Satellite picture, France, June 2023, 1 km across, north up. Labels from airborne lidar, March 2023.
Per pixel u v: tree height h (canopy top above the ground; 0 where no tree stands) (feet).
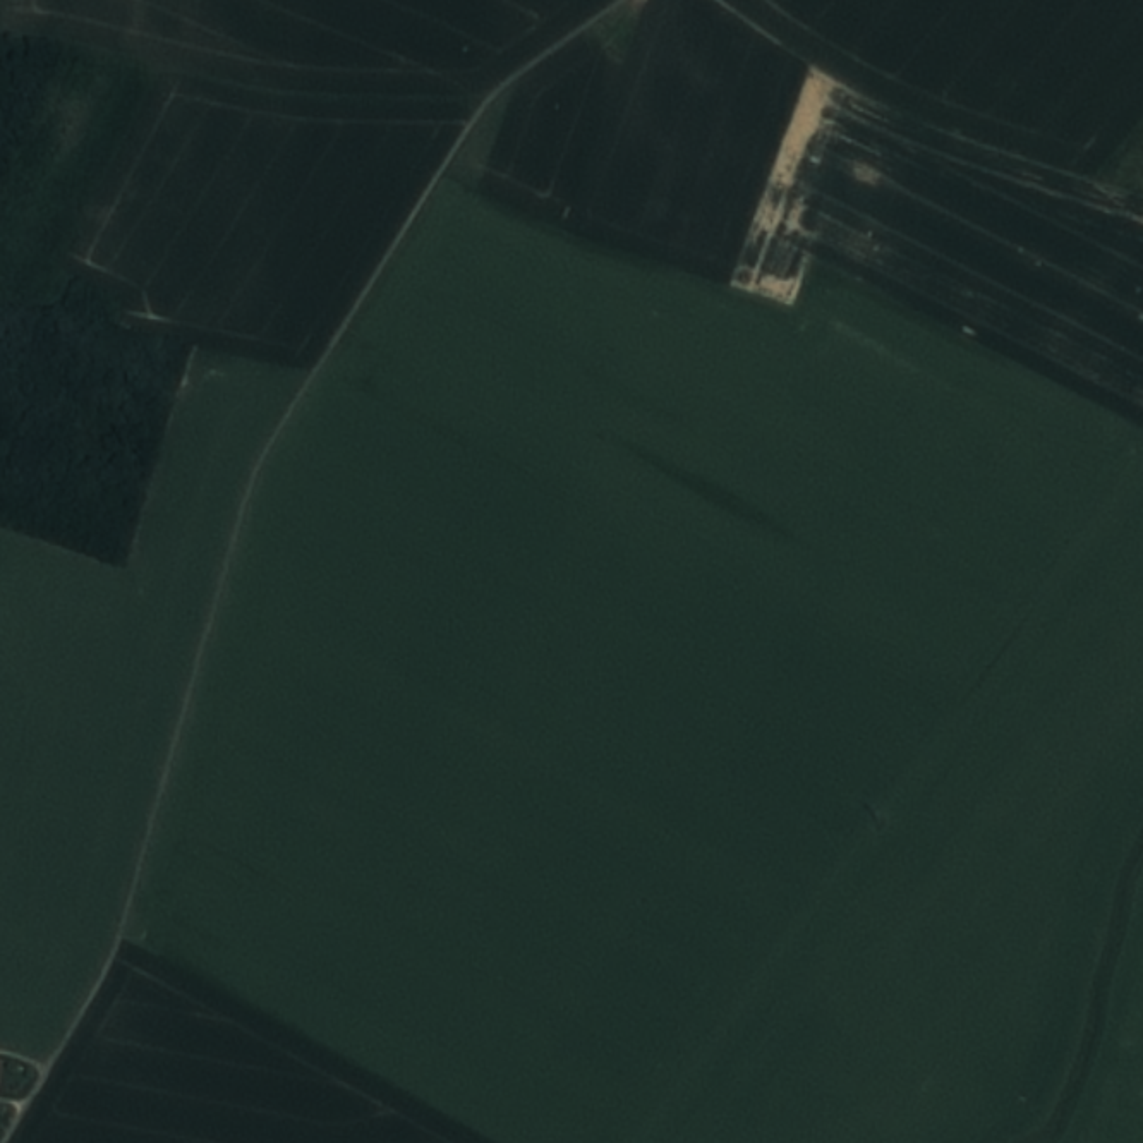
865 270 0
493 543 0
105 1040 0
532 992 0
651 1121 0
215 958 0
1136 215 0
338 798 0
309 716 0
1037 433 0
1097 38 0
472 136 0
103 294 29
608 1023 0
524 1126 0
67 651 0
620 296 0
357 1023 0
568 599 0
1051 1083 0
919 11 0
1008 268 0
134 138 0
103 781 0
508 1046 0
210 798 0
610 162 0
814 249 0
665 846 0
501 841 0
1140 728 0
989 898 0
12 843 0
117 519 51
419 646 0
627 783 0
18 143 32
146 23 0
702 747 0
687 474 0
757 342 0
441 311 0
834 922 0
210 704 0
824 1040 0
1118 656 0
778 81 0
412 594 0
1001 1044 0
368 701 0
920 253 0
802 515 0
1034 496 0
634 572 0
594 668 0
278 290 0
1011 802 0
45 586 0
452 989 0
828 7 0
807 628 0
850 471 0
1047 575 0
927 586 0
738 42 0
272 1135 0
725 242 0
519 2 0
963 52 0
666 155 0
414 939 0
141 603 0
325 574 0
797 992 0
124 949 0
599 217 0
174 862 0
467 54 0
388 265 0
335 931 0
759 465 0
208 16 0
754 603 0
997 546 0
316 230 0
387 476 0
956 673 0
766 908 0
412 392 0
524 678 0
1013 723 0
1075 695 0
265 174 0
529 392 0
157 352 56
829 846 0
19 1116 0
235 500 0
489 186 0
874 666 0
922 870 0
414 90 0
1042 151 0
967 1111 0
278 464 0
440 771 0
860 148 0
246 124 0
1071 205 0
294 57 0
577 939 0
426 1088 0
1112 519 0
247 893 0
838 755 0
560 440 0
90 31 0
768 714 0
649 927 0
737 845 0
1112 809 0
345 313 0
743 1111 0
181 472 0
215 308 0
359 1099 0
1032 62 0
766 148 0
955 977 0
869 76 0
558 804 0
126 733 0
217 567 0
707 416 0
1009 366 0
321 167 0
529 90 0
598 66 0
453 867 0
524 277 0
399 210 0
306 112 0
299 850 0
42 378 60
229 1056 0
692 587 0
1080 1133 0
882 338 0
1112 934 0
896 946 0
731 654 0
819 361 0
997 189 0
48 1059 0
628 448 0
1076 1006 0
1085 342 0
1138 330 0
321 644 0
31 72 55
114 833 0
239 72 0
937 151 0
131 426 53
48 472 57
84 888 0
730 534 0
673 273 0
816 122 0
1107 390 0
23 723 0
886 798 0
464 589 0
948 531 0
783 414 0
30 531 45
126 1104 0
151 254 0
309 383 0
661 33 0
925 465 0
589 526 0
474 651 0
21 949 0
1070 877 0
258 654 0
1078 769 0
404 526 0
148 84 0
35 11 0
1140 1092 0
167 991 0
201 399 0
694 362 0
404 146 0
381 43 0
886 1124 0
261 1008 0
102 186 0
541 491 0
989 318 0
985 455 0
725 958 0
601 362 0
